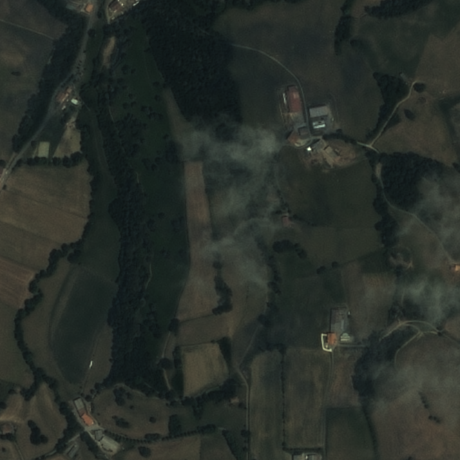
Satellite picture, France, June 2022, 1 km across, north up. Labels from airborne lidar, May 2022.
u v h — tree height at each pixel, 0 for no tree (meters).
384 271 0
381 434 0
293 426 0
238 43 0
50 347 0
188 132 0
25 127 20
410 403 0
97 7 0
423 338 0
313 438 0
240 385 12
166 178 0
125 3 0
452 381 0
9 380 0
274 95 0
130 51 0
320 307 0
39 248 0
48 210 0
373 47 0
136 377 27
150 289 0
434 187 0
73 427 12
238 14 0
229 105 10
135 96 6
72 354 0
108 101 14
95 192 13
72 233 0
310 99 0
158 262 0
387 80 18
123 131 8
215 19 15
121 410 0
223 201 0
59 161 17
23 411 0
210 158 20
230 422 0
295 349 0
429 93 0
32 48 0
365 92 0
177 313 0
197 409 13
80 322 0
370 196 0
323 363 0
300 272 0
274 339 0
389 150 0
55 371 0
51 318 0
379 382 0
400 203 15
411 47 0
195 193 0
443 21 0
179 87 14
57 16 9
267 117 0
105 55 0
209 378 0
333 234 0
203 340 0
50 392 0
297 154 0
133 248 16
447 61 0
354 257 0
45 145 0
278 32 0
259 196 23
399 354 0
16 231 0
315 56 0
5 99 0
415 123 0
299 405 0
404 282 26
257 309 0
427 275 0
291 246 26
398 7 16
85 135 18
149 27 9
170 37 15
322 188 0
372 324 0
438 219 0
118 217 16
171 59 18
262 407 0
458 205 0
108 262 0
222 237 0
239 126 28
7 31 0
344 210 0
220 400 19
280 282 22
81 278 0
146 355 14
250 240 0
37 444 13
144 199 17
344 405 0
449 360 0
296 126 0
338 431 0
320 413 0
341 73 0
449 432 0
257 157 0
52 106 0
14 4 0
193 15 16
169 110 0
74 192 0
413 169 16
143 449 13
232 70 0
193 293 0
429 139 0
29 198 0
